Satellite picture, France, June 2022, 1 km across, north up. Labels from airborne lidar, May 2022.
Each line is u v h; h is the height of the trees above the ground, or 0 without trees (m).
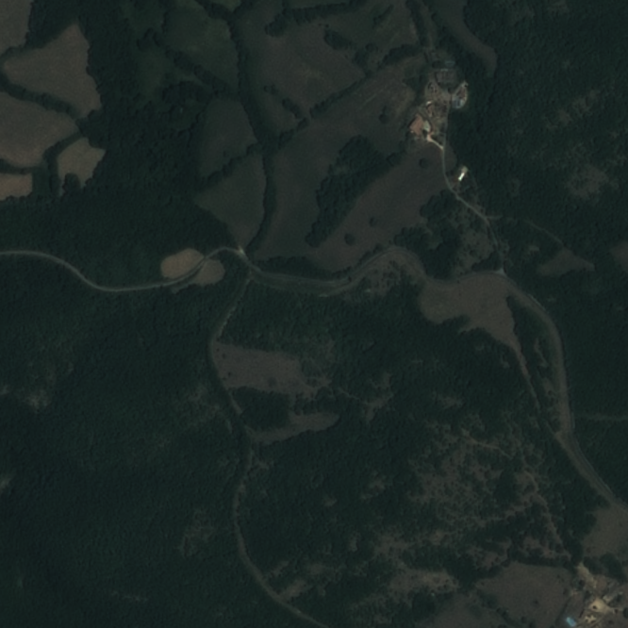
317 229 15
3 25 0
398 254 0
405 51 14
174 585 9
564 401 0
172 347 13
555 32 8
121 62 22
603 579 0
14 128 0
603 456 7
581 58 9
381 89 0
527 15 6
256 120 12
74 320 11
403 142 7
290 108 10
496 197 10
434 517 6
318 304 9
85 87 0
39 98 9
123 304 10
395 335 11
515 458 7
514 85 8
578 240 10
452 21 0
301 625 9
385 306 6
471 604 0
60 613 13
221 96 14
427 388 9
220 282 7
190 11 0
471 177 7
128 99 13
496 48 17
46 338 9
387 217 0
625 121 9
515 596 0
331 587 9
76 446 6
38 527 14
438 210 11
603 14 9
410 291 9
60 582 14
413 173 0
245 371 0
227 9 10
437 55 7
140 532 9
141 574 9
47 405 8
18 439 13
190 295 11
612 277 14
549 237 7
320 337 7
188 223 13
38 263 17
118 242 8
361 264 7
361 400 7
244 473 6
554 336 0
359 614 5
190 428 7
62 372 10
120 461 9
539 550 6
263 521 11
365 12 0
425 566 7
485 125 14
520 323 13
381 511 10
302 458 12
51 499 9
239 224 0
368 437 8
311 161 0
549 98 7
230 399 8
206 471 8
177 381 11
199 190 7
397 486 11
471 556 7
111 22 18
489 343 7
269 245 0
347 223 0
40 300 19
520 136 7
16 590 8
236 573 8
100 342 12
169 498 7
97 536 12
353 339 8
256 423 13
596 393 11
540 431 8
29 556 15
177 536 8
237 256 9
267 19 0
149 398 8
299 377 0
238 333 8
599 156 9
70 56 0
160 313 15
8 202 14
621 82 7
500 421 9
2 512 12
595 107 7
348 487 13
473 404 10
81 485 16
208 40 0
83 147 0
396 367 10
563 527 9
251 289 10
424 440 8
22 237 8
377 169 16
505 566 6
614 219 10
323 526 10
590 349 13
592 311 18
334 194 11
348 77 0
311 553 8
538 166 8
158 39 20
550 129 7
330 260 0
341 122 0
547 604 0
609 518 0
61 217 14
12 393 8
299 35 0
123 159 18
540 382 7
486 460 7
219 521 7
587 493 9
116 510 11
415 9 13
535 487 6
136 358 13
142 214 15
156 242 11
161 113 15
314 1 0
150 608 10
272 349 7
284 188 0
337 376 6
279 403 11
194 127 19
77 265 9
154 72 0
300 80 0
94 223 12
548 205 10
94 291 7
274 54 0
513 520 9
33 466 15
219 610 6
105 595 7
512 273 12
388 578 7
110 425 10
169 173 24
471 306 0
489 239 7
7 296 12
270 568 8
